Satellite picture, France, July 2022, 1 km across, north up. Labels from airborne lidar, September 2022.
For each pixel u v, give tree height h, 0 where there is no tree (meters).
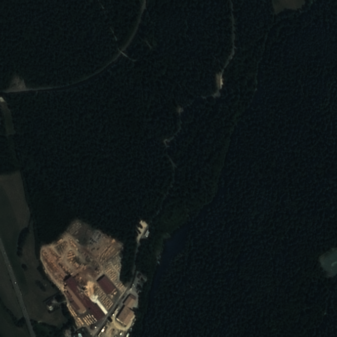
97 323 0
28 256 0
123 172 17
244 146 28
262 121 26
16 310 0
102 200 11
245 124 30
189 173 19
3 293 0
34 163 21
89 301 0
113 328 0
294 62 14
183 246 16
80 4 17
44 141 10
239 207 26
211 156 26
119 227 14
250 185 22
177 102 14
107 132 8
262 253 25
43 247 0
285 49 23
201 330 27
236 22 7
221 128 27
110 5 19
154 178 6
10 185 0
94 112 16
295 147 29
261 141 23
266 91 25
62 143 9
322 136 15
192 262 31
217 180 17
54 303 0
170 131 20
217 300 23
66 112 18
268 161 19
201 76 28
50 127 9
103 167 14
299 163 22
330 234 15
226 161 27
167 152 11
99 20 19
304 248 17
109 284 0
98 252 0
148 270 15
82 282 0
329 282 12
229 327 20
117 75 19
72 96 16
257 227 24
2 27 17
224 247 20
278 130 23
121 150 11
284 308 14
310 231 29
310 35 25
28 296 0
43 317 0
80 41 17
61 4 20
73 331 6
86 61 18
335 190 14
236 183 30
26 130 13
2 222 0
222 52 20
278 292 25
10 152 13
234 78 20
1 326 0
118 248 0
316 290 20
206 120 19
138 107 15
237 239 29
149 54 23
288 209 16
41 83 14
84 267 0
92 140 15
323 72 23
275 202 30
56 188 19
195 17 25
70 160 18
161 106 24
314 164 30
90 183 19
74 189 17
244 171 23
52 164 14
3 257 0
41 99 9
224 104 29
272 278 27
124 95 14
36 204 9
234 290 23
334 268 0
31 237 0
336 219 19
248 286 26
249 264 33
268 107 20
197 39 22
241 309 25
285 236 18
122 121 12
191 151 27
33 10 18
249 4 33
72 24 22
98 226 8
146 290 31
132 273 9
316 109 19
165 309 21
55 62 15
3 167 11
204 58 23
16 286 0
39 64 10
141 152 13
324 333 15
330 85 15
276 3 0
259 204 20
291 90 21
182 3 32
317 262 17
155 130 34
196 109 17
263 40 25
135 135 7
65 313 23
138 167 17
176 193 15
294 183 22
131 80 15
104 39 17
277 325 22
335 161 19
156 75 28
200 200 27
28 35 13
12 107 18
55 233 10
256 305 28
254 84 9
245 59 7
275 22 21
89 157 10
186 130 13
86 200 8
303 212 21
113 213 15
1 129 11
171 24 26
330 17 26
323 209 12
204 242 22
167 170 17
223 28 12
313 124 25
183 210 8
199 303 18
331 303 20
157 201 17
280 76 25
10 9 14
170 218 8
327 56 32
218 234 17
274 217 20
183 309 14
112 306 0
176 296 27
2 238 0
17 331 0
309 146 19
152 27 27
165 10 32
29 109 14
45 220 7
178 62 19
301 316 32
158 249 13
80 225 0
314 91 17
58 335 9
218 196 23
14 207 0
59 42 11
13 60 14
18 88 0
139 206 24
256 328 27
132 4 15
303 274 27
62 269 0
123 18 18
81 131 16
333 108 21
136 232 14
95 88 19
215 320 23
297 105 22
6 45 16
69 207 23
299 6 0
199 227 25
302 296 28
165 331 18
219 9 18
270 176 28
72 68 9
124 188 14
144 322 19
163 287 15
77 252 0
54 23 14
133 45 10
